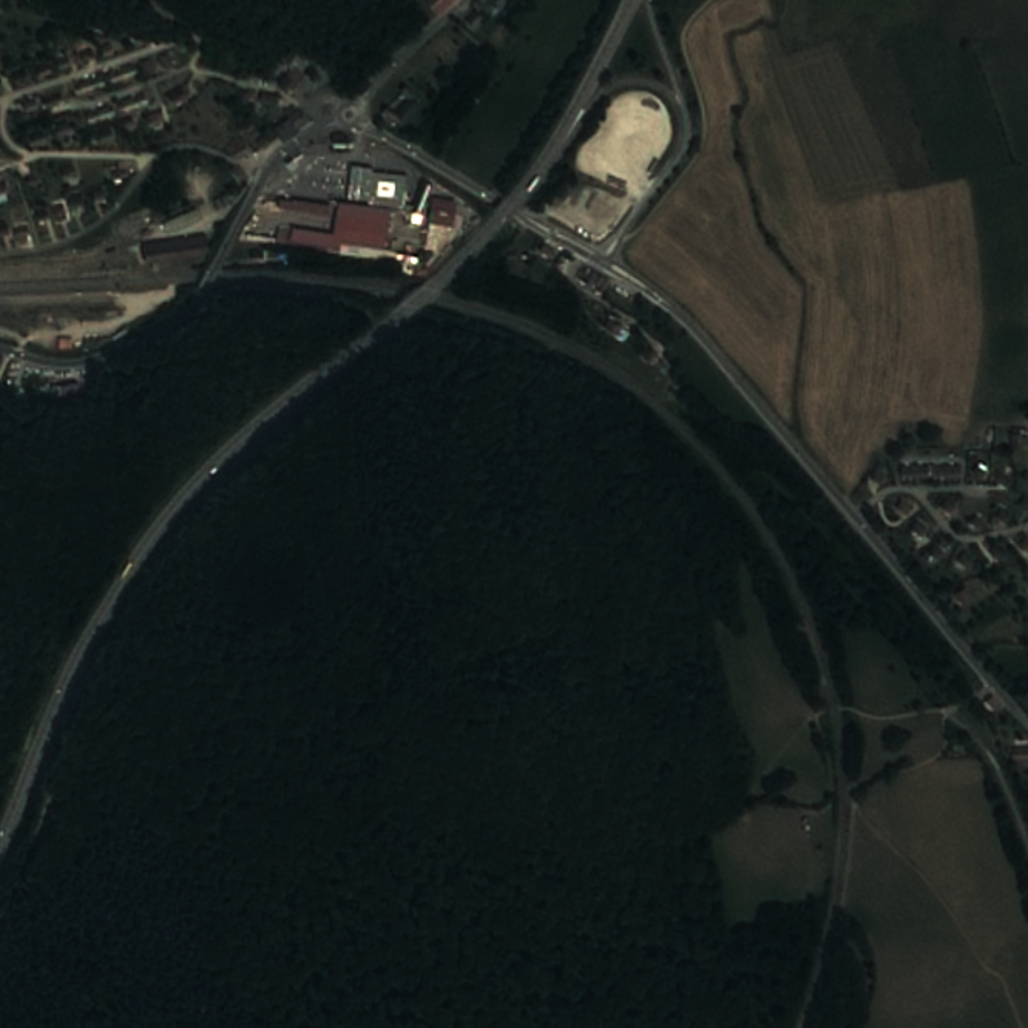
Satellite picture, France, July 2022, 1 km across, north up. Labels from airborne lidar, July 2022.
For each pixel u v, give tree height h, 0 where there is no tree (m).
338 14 18
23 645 11
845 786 0
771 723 0
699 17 0
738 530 20
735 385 0
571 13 0
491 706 24
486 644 20
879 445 0
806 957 8
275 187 0
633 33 0
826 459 0
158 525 0
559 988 24
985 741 0
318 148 0
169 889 31
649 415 11
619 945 23
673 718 22
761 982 24
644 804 22
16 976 17
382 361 22
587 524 27
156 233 0
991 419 0
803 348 0
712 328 0
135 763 22
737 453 14
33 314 0
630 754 20
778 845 0
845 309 0
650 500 21
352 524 17
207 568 11
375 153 0
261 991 21
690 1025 18
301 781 26
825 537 6
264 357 17
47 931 33
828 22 0
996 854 0
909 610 21
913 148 0
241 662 23
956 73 0
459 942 20
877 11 0
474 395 20
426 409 20
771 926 13
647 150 0
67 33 11
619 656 22
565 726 22
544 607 24
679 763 21
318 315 20
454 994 26
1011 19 0
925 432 14
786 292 0
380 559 24
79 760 14
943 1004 0
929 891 0
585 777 23
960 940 0
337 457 21
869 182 0
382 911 22
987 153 0
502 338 17
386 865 21
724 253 0
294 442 21
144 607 15
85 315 0
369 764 22
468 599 15
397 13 10
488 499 13
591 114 13
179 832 22
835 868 0
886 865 0
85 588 22
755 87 0
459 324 14
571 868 21
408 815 19
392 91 0
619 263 0
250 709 23
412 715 22
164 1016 27
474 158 0
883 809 0
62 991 17
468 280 16
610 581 22
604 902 22
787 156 0
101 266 0
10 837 0
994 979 0
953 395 0
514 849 26
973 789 0
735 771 22
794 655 20
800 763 0
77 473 20
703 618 20
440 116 10
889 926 0
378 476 20
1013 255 0
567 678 19
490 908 21
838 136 0
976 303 0
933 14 0
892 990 0
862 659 0
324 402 19
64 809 17
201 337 21
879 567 14
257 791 24
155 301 0
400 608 25
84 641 0
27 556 17
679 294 0
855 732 18
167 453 17
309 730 20
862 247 0
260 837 23
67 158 0
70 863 21
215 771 24
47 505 17
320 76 12
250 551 16
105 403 23
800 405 0
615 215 0
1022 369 0
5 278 0
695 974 26
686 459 21
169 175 20
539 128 10
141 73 11
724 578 16
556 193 11
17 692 18
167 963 33
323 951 27
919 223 0
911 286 0
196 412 18
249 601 18
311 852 24
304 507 18
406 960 20
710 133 0
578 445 22
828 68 0
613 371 0
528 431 21
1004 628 0
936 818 0
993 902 0
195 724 25
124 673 23
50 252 0
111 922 32
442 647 16
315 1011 24
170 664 19
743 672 0
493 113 0
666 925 23
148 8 17
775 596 22
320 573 20
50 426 27
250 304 21
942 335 0
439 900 21
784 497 13
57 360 0
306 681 21
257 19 11
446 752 21
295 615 18
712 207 0
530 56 0
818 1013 18
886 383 0
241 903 15
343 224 0
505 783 25
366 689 23
